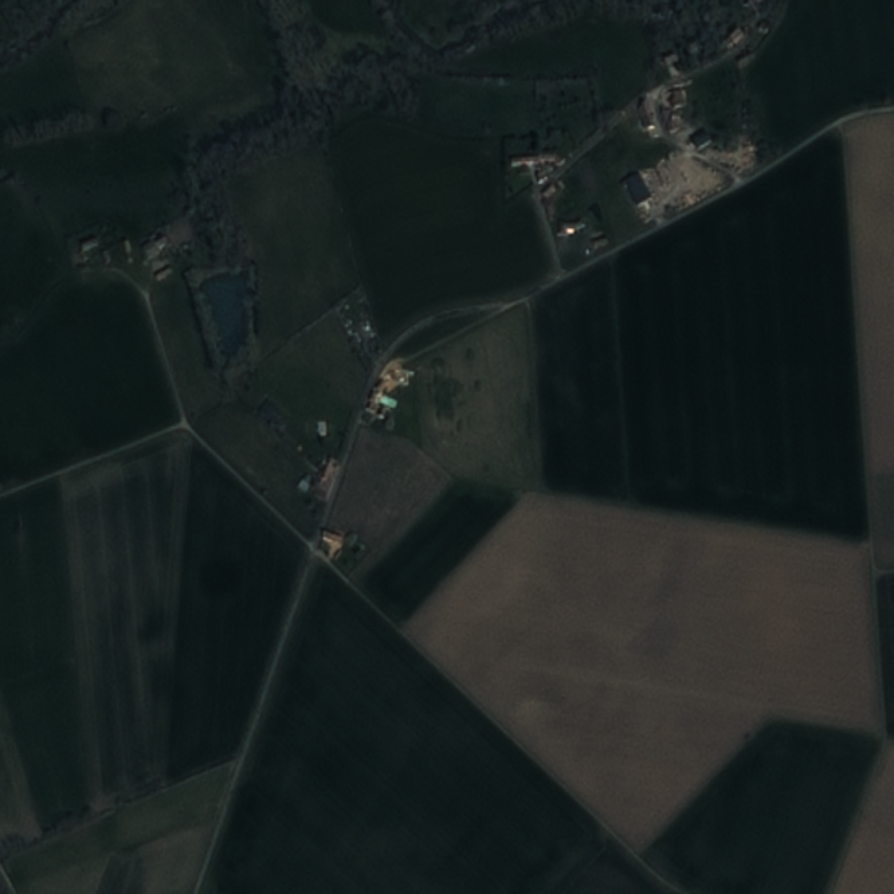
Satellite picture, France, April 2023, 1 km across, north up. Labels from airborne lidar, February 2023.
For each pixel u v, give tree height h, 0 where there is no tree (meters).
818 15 0
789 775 0
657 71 8
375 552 0
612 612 0
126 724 0
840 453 0
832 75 0
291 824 0
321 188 0
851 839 0
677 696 0
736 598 0
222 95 0
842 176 0
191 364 0
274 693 0
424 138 0
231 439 0
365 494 0
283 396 0
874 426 0
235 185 0
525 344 0
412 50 19
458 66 0
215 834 0
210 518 0
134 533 0
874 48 0
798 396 0
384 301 0
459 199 0
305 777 0
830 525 0
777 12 16
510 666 0
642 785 0
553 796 0
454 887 0
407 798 0
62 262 0
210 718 0
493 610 0
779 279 0
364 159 0
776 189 0
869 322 0
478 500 0
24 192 0
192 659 0
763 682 0
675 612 0
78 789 0
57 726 0
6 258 0
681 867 0
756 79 0
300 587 0
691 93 0
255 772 0
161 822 0
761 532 0
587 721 0
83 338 0
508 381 0
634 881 0
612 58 0
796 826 0
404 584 0
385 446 0
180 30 0
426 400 0
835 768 0
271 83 0
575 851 0
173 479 0
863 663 0
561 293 0
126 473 0
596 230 0
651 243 0
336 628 0
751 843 0
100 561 0
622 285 0
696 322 0
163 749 0
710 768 0
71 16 31
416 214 0
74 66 0
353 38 0
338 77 32
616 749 0
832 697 0
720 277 0
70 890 0
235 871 0
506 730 0
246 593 0
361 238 0
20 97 0
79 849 0
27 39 17
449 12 0
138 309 0
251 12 0
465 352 0
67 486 0
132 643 0
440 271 0
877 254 0
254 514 0
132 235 0
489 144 0
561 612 0
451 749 0
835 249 0
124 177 0
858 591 0
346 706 0
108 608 0
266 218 0
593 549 0
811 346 0
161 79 0
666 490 0
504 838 0
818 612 0
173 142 0
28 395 0
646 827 0
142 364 0
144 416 0
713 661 0
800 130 0
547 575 0
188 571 0
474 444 0
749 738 7
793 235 0
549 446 0
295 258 0
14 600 0
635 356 0
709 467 0
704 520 0
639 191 0
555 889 0
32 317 0
